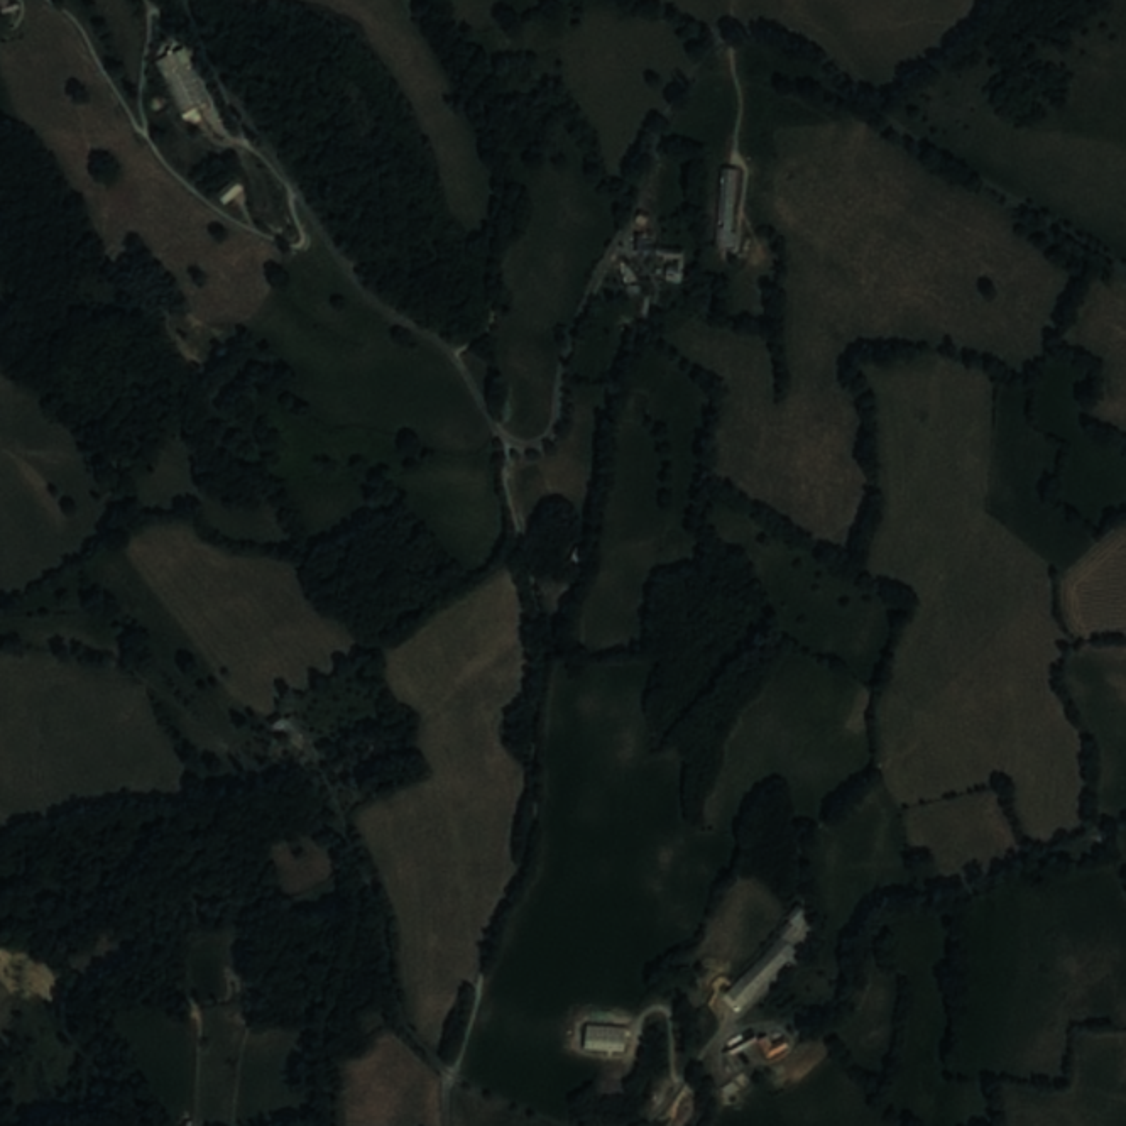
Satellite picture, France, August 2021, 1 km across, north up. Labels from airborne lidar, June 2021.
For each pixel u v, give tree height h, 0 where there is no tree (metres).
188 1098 0
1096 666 0
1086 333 0
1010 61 19
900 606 13
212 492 21
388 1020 13
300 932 20
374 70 12
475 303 11
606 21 0
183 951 23
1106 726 0
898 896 18
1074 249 13
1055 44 10
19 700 0
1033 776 0
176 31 18
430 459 14
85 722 0
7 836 14
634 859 0
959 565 0
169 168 0
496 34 0
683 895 0
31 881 21
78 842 10
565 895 0
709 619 23
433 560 13
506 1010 0
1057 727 0
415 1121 0
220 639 0
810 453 0
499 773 0
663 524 0
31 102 0
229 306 0
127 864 8
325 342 0
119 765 0
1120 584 0
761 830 21
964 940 23
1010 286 0
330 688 15
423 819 0
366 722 7
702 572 22
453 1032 11
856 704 0
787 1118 0
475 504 0
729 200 0
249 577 0
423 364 0
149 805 20
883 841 0
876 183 0
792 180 0
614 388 19
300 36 12
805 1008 8
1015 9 18
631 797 0
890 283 0
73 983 20
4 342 21
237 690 0
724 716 14
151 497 0
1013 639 0
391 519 18
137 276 21
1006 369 13
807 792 0
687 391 0
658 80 17
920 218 0
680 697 13
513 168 13
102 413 19
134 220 0
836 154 0
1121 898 0
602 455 16
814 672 0
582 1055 0
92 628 0
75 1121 24
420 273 16
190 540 0
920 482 0
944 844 0
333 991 19
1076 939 0
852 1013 15
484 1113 0
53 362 20
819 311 0
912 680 0
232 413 21
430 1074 0
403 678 0
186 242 0
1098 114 0
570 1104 10
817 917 18
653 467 0
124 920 22
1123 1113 0
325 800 7
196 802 24
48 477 0
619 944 0
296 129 13
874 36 0
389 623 18
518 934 0
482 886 0
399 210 13
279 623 0
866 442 18
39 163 27
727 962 0
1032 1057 0
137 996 21
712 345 0
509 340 0
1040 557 0
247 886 23
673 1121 0
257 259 0
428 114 0
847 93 23
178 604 0
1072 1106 0
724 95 0
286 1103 0
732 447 0
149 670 22
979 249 0
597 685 0
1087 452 0
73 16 0
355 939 19
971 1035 0
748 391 0
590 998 0
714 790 12
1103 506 0
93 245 22
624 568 0
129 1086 17
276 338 0
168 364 21
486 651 0
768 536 10
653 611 16
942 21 0
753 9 0
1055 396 0
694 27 17
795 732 0
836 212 0
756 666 21
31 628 0
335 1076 14
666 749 10
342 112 12
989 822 0
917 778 0
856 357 17
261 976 22
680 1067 0
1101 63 0
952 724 0
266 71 17
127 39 0
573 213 0
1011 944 0
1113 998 0
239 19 14
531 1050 0
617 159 0
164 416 19
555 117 21
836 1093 0
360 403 0
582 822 0
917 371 0
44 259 24
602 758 0
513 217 18
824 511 0
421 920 0
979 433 0
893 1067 18
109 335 23
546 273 0
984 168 0
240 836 22
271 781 17
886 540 0
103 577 0
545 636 14
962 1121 0
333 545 20
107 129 0
